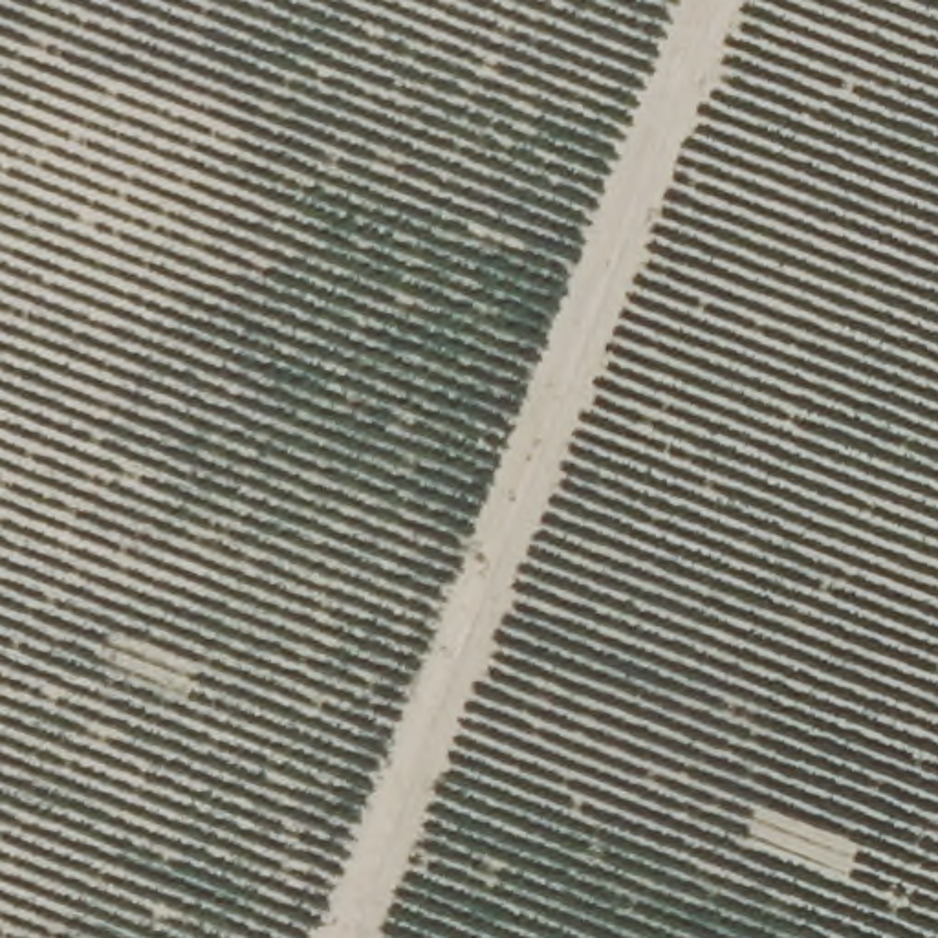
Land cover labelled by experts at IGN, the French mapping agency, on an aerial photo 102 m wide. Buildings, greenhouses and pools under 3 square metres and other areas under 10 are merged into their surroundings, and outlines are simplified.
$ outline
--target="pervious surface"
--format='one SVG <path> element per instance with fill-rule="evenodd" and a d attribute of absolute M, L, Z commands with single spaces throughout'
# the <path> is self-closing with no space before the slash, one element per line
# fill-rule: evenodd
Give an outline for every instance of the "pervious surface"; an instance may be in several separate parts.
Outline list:
<path fill-rule="evenodd" d="M 513 421 L 498 473 L 491 480 L 484 509 L 476 513 L 473 539 L 484 546 L 487 557 L 480 564 L 462 564 L 458 579 L 443 590 L 443 612 L 432 627 L 432 645 L 421 660 L 418 678 L 407 685 L 403 714 L 396 722 L 388 755 L 374 769 L 374 791 L 348 839 L 344 872 L 337 876 L 330 890 L 330 909 L 322 923 L 311 931 L 311 938 L 381 938 L 392 894 L 407 876 L 410 846 L 425 839 L 436 780 L 440 773 L 447 773 L 451 744 L 458 736 L 469 693 L 491 671 L 495 630 L 502 616 L 509 616 L 517 594 L 517 568 L 528 557 L 546 502 L 561 487 L 561 465 L 568 462 L 572 432 L 579 429 L 579 414 L 594 403 L 594 381 L 608 366 L 608 341 L 619 326 L 619 311 L 634 286 L 634 275 L 649 264 L 649 231 L 663 216 L 663 194 L 674 180 L 678 147 L 700 125 L 700 103 L 707 103 L 722 77 L 729 77 L 729 66 L 722 62 L 725 37 L 736 37 L 740 29 L 744 0 L 678 0 L 667 11 L 656 66 L 638 92 L 638 106 L 616 147 L 616 161 L 605 176 L 601 202 L 586 220 L 583 256 L 568 271 L 568 293 L 550 322 L 546 348 L 531 370 L 528 396 Z"/>

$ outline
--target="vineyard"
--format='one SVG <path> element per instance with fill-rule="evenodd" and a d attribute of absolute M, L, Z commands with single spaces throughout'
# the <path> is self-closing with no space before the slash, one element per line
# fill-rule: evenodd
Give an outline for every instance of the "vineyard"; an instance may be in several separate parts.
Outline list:
<path fill-rule="evenodd" d="M 407 876 L 392 894 L 381 938 L 938 938 L 938 0 L 744 0 L 740 29 L 736 37 L 725 37 L 722 62 L 729 66 L 729 77 L 722 77 L 707 103 L 700 103 L 700 125 L 678 147 L 674 180 L 663 194 L 663 216 L 649 231 L 649 264 L 634 275 L 634 286 L 619 311 L 619 326 L 608 341 L 608 366 L 594 381 L 594 403 L 579 414 L 579 429 L 572 432 L 568 462 L 561 465 L 561 487 L 546 502 L 528 557 L 517 568 L 517 594 L 509 616 L 502 616 L 495 630 L 491 671 L 469 693 L 458 736 L 451 744 L 447 773 L 440 773 L 436 780 L 425 839 L 410 846 Z"/>
<path fill-rule="evenodd" d="M 374 769 L 388 755 L 396 722 L 403 714 L 407 685 L 418 678 L 421 660 L 432 645 L 432 627 L 443 612 L 443 590 L 458 579 L 462 564 L 480 564 L 487 557 L 484 546 L 473 539 L 476 513 L 484 509 L 491 480 L 498 473 L 513 421 L 528 396 L 531 370 L 546 348 L 550 322 L 568 293 L 568 271 L 583 256 L 586 220 L 601 202 L 605 176 L 616 161 L 616 147 L 638 106 L 638 92 L 656 66 L 667 11 L 678 0 L 0 0 L 0 938 L 311 938 L 311 931 L 322 923 L 330 909 L 330 890 L 337 876 L 344 872 L 348 839 L 374 791 Z"/>

